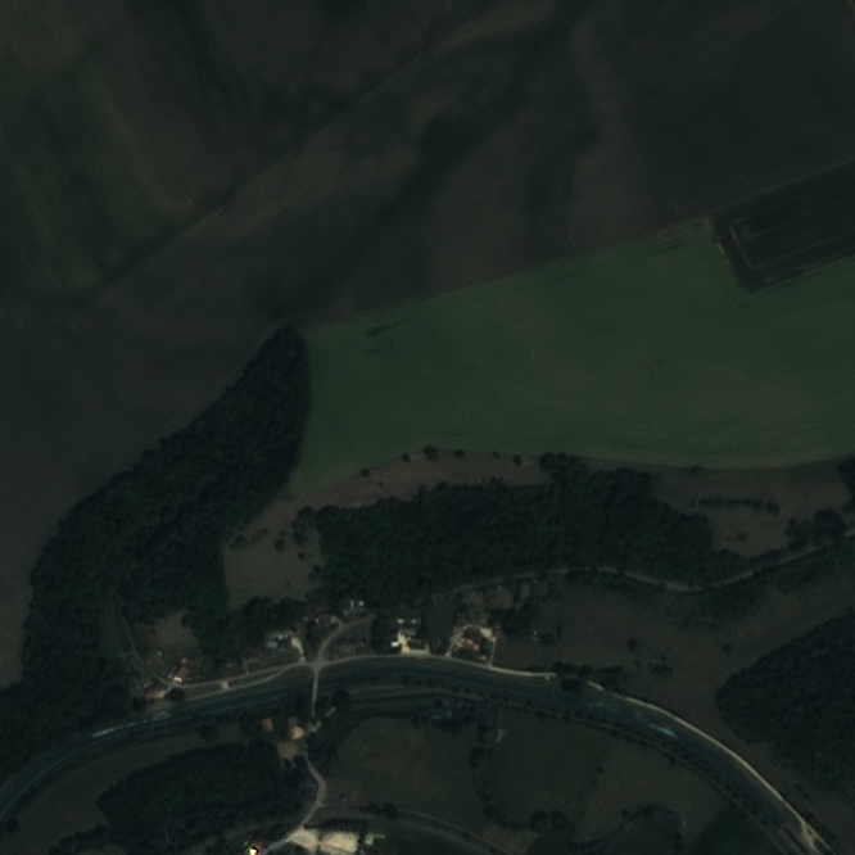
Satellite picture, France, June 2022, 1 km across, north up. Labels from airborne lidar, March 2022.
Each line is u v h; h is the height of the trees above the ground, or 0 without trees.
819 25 0
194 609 11
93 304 0
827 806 0
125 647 0
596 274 0
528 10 0
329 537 13
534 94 0
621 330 0
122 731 0
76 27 0
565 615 0
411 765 0
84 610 18
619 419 0
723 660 0
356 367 0
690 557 12
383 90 0
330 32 0
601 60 0
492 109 0
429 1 0
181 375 0
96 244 0
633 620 0
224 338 0
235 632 6
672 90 0
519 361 0
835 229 0
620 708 0
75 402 0
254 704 0
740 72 0
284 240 0
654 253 0
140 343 0
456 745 0
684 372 0
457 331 0
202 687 0
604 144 0
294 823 0
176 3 0
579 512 15
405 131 0
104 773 0
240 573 0
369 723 0
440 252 0
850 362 0
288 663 0
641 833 0
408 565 7
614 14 0
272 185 0
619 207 0
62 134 0
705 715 0
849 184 0
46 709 18
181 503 0
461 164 0
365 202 0
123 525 19
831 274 0
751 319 0
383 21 0
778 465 0
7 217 0
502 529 10
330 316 0
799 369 0
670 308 0
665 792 0
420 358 0
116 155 0
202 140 0
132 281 0
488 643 9
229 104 0
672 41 0
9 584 0
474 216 0
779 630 0
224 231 0
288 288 0
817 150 0
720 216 0
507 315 0
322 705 10
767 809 0
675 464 0
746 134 0
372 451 0
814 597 0
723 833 0
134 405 0
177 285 0
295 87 0
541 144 0
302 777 14
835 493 0
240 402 18
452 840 0
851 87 0
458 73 0
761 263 0
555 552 11
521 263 0
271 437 15
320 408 0
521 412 0
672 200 0
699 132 0
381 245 0
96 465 0
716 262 0
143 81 0
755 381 0
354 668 0
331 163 0
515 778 0
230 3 0
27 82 0
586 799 0
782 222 0
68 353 0
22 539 0
